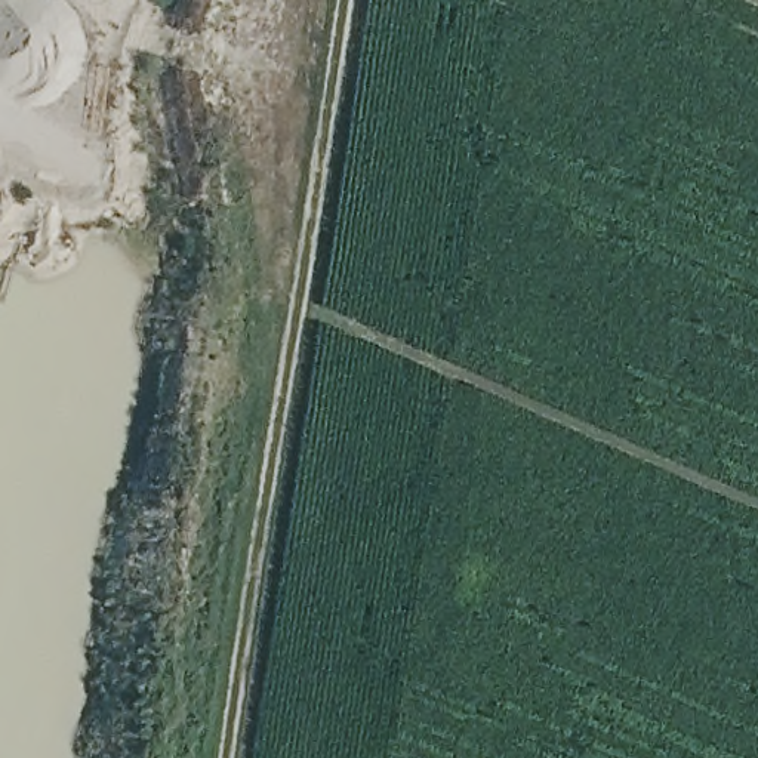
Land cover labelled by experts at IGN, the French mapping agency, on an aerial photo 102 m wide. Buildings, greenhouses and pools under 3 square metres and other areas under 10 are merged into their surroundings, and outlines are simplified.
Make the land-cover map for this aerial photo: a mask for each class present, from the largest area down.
<instances>
[{"label":"agricultural land","instance_id":"1","mask_svg":"<svg viewBox=\"0 0 758 758\"><path fill-rule=\"evenodd\" d=\"M266 592L255 628V675L246 696L240 758H758V0H355L343 95L329 163L326 207L317 243V266L284 441L269 557L264 571Z\"/></svg>","mask_w":758,"mask_h":758},{"label":"brushwood","instance_id":"2","mask_svg":"<svg viewBox=\"0 0 758 758\"><path fill-rule=\"evenodd\" d=\"M210 0H172L163 9V21L184 33L204 30ZM130 124L139 133L133 151L148 157L151 172V178L142 187L145 213V225L154 234L166 237V252L157 258L151 287L136 311L142 367L136 382V400L130 406L127 444L115 486L107 492L104 527L92 563V619L86 634L83 675L86 702L80 711L68 758H222L216 746L225 702L216 699V684H207V672L184 675L187 613L204 607V592L192 583L190 574V557L195 551L204 515L213 509V474H207V468H219L216 462H210V456H201L198 441L201 409L210 391L204 379V361H216V352L207 346V326L198 320V314L201 308L222 302V287L216 281L213 261L216 243L204 237V219L213 213L201 204L198 192L204 172L219 169V160L210 157V148L219 145V133L207 127L210 104L201 98L198 71H184L181 56L166 59L145 50L133 56Z\"/></svg>","mask_w":758,"mask_h":758},{"label":"pervious surface","instance_id":"3","mask_svg":"<svg viewBox=\"0 0 758 758\"><path fill-rule=\"evenodd\" d=\"M172 0H0V299L6 293L12 269H21L36 278H59L83 261L86 246L92 240L101 237V231H107L110 225H130L145 213L142 187L151 178V172L148 157L133 151L139 133L130 124L133 56L145 50L166 59L181 56L184 71H225L231 89H249V101H258V86L252 74L284 71V62L269 59L264 44L287 38L284 33H275V24H281L284 18V0H210L204 30L184 33L163 21V9ZM355 0H335L302 228L296 240V258H290V266L284 269V281H290V296L266 415L264 456L249 527L246 571L237 604L225 702L216 746L222 758H240L246 696L255 675V628L266 592L264 571L269 557L284 441L317 266V243L326 207L329 163L343 95Z\"/></svg>","mask_w":758,"mask_h":758},{"label":"water","instance_id":"4","mask_svg":"<svg viewBox=\"0 0 758 758\"><path fill-rule=\"evenodd\" d=\"M151 287L136 275L133 261L118 246L104 243L101 237L92 240L86 246L83 261L59 278H36L21 269H12L6 293L0 299V758H68L80 711L86 702L83 675L86 634L92 619V563L104 527L107 492L115 486L127 444L130 406L136 400V382L142 367L136 311Z\"/></svg>","mask_w":758,"mask_h":758},{"label":"herbaceous vegetation","instance_id":"5","mask_svg":"<svg viewBox=\"0 0 758 758\"><path fill-rule=\"evenodd\" d=\"M335 0H284V18L281 24H275V33H284L287 38L264 44L269 59L284 62V71L252 74L258 86V101H249V89H231L225 71H198L201 98L210 104L207 127L219 133V145L210 148V157L219 160V169L204 172L198 192L201 204L213 213L204 219V237L216 243L213 261L216 281L222 287V302L201 308L198 314V320L207 326V346L216 352V361H204V379L210 391L201 409L198 441L201 456H210V462H216L219 468H207V474H213V509L204 515L195 551L190 557V574L192 583L204 592V607L187 613L184 675L207 672V684H216V699L225 702L237 604L246 571L249 527L264 456L266 415L290 296V281H284V269L290 266V258H296V240L302 228ZM145 213L130 225H110L107 231H101V237L104 243L118 246L133 261L136 275L151 287L157 258L166 252V237L154 234L145 225Z\"/></svg>","mask_w":758,"mask_h":758}]
</instances>
